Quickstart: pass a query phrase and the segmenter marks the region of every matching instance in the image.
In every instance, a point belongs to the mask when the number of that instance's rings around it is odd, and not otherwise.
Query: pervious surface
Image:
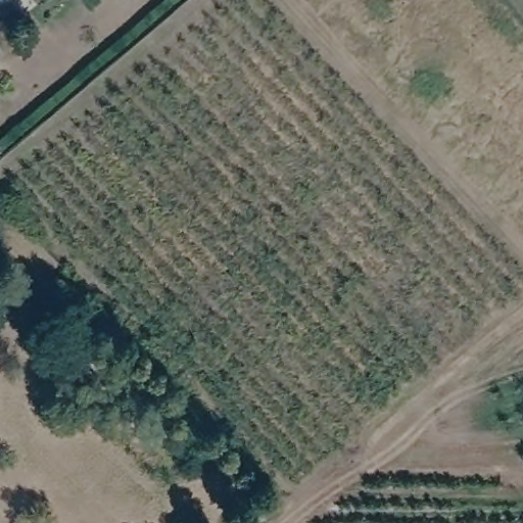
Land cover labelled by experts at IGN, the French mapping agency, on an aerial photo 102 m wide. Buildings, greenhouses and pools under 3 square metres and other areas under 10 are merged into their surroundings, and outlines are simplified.
[[[374,108],[374,112],[417,153],[421,149],[433,147],[435,137],[431,137],[431,131],[435,123],[431,123],[427,116],[411,118],[411,108],[398,110],[398,106],[392,100],[386,100],[386,92],[390,90],[390,86],[378,76],[376,65],[368,63],[364,57],[353,57],[358,47],[347,37],[347,31],[329,27],[321,14],[317,14],[319,8],[315,8],[306,0],[272,0],[294,25],[294,29],[311,41],[311,45],[321,53],[321,57],[341,74],[347,86],[360,92],[362,98]]]
[[[157,29],[153,29],[145,39],[141,39],[133,49],[129,49],[118,61],[114,61],[108,69],[94,78],[78,96],[74,96],[49,121],[45,121],[39,129],[25,137],[12,151],[0,145],[0,192],[10,192],[12,184],[16,182],[14,172],[20,168],[20,159],[33,157],[35,151],[43,151],[47,143],[51,143],[51,139],[59,133],[72,135],[86,151],[96,153],[94,145],[86,141],[84,131],[76,129],[72,123],[76,118],[84,121],[84,110],[92,110],[94,114],[102,112],[102,106],[98,106],[96,100],[102,98],[106,92],[106,80],[112,80],[116,86],[125,84],[127,72],[135,63],[143,63],[149,57],[149,53],[157,57],[163,51],[163,47],[168,47],[188,25],[198,25],[202,27],[202,31],[208,29],[208,22],[204,22],[202,18],[202,10],[210,8],[215,2],[221,0],[180,0],[182,6],[172,16],[168,16]]]
[[[51,288],[57,296],[80,292],[86,298],[88,294],[96,294],[98,290],[96,286],[90,286],[84,280],[80,280],[63,276],[55,268],[59,262],[57,253],[47,255],[45,247],[27,239],[10,223],[6,223],[0,229],[0,231],[2,241],[8,247],[8,253],[25,268],[25,274],[31,278],[31,282]]]
[[[427,374],[413,378],[409,382],[400,382],[396,392],[388,396],[386,407],[374,411],[372,417],[362,423],[360,435],[347,437],[347,441],[343,443],[347,447],[347,454],[331,454],[319,466],[315,466],[298,484],[290,482],[282,472],[278,472],[272,478],[276,486],[278,509],[264,513],[257,519],[257,523],[311,523],[313,517],[335,513],[339,507],[337,498],[341,496],[349,484],[362,478],[364,474],[380,472],[390,460],[409,449],[413,441],[417,441],[429,427],[445,419],[449,409],[466,400],[480,402],[484,390],[476,386],[476,380],[480,378],[480,370],[498,364],[503,355],[509,355],[511,351],[523,349],[523,292],[519,294],[519,298],[509,300],[503,308],[494,300],[486,300],[488,315],[484,315],[478,323],[474,339],[445,353],[439,364],[427,370]]]
[[[523,235],[517,231],[513,219],[503,221],[503,217],[490,219],[488,215],[482,215],[478,221],[480,225],[484,225],[488,233],[494,233],[498,241],[505,241],[507,249],[523,264]]]

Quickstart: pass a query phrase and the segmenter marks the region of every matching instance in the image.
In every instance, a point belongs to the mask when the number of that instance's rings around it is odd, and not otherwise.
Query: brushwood
[[[409,94],[423,96],[431,102],[451,96],[454,86],[449,78],[445,78],[439,72],[433,72],[431,67],[421,67],[415,69],[415,74],[411,76],[407,90]]]
[[[523,43],[523,0],[474,0],[474,4],[486,12],[490,29],[498,31],[509,45]]]
[[[153,29],[157,29],[168,16],[172,16],[182,6],[180,0],[163,0],[145,18],[141,18],[127,35],[123,35],[102,55],[88,63],[72,82],[67,82],[59,92],[55,92],[47,102],[43,102],[35,112],[31,112],[22,123],[12,127],[0,139],[0,145],[12,151],[25,137],[39,129],[45,121],[49,121],[74,96],[78,96],[94,78],[108,69],[114,61],[118,61],[129,49],[133,49],[141,39],[145,39]]]
[[[368,8],[372,20],[390,16],[392,0],[366,0],[364,6]]]

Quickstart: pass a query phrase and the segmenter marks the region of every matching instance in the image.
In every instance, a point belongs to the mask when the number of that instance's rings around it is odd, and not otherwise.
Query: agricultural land
[[[239,513],[245,513],[249,509],[239,501],[239,488],[231,488],[231,478],[223,474],[223,470],[212,460],[204,462],[202,480],[190,480],[180,476],[176,486],[168,488],[161,480],[153,480],[149,474],[145,474],[133,462],[131,456],[125,454],[121,445],[104,441],[102,435],[98,435],[92,429],[92,425],[86,425],[84,431],[78,431],[67,437],[53,435],[51,429],[45,427],[43,421],[37,417],[37,413],[53,405],[57,388],[53,380],[41,378],[35,372],[35,364],[29,358],[25,364],[25,380],[8,382],[4,372],[0,370],[0,441],[14,451],[14,466],[0,468],[0,523],[16,523],[20,515],[29,515],[37,503],[45,501],[49,503],[49,511],[57,523],[219,523],[221,519],[231,521]]]
[[[190,388],[208,411],[212,411],[215,396],[208,394],[206,386],[194,374],[186,372],[176,384],[184,384],[186,388]]]
[[[94,274],[94,270],[86,268],[82,259],[74,262],[76,276],[80,280],[84,280],[90,286],[96,286],[98,290],[110,296],[112,288],[100,276]]]

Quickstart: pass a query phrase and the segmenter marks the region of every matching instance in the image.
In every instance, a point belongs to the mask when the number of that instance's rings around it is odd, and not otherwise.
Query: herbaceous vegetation
[[[429,427],[417,441],[413,441],[409,449],[390,460],[380,472],[405,470],[411,474],[478,474],[484,478],[498,476],[498,486],[382,486],[362,484],[362,478],[349,484],[341,496],[358,496],[360,492],[366,492],[378,498],[392,494],[419,498],[423,494],[429,494],[439,498],[451,498],[451,507],[339,507],[335,513],[388,513],[407,517],[439,515],[445,517],[447,523],[456,523],[456,515],[462,515],[466,511],[505,513],[505,507],[492,507],[492,501],[498,498],[515,501],[511,513],[523,513],[523,349],[511,351],[509,355],[503,355],[498,364],[480,370],[480,378],[476,380],[476,386],[484,390],[480,402],[466,400],[449,409],[445,419]]]
[[[0,0],[0,139],[12,127],[22,123],[31,112],[35,112],[43,102],[47,102],[55,92],[59,92],[67,82],[72,82],[88,63],[102,55],[123,35],[127,35],[141,18],[145,18],[163,0]],[[29,27],[31,22],[39,31],[39,41],[31,57],[25,59],[14,55],[4,33],[16,31],[18,27]]]
[[[86,304],[86,298],[80,292],[57,296],[51,288],[31,282],[29,298],[25,298],[20,306],[12,306],[8,311],[8,325],[0,331],[0,339],[6,339],[8,351],[25,364],[29,358],[29,347],[25,341],[31,337],[33,329],[45,321],[59,319],[72,306]]]
[[[125,353],[133,343],[133,333],[121,325],[121,321],[114,315],[118,302],[114,298],[108,298],[104,300],[102,313],[90,321],[90,327],[94,333],[106,333],[112,339],[114,349]]]
[[[392,0],[390,16],[372,20],[368,8],[364,6],[366,0],[306,0],[315,8],[319,8],[317,14],[321,14],[329,27],[347,31],[347,37],[358,47],[353,57],[364,57],[368,63],[376,65],[378,76],[390,86],[390,90],[386,92],[386,100],[392,100],[398,106],[398,110],[411,108],[411,118],[427,116],[431,123],[435,123],[431,131],[431,137],[435,137],[433,147],[421,149],[417,153],[419,161],[423,161],[425,168],[435,178],[439,178],[441,184],[460,200],[460,204],[478,221],[482,215],[488,215],[490,219],[503,217],[503,221],[513,219],[517,231],[523,235],[523,43],[509,45],[498,31],[490,29],[486,12],[474,4],[474,0]],[[421,67],[431,67],[433,72],[439,72],[445,78],[449,78],[454,86],[451,96],[431,102],[423,96],[409,94],[407,90],[411,76],[415,74],[415,69]]]
[[[139,390],[137,382],[131,382],[131,400],[135,402],[137,411],[145,415],[149,407],[157,402],[157,396]]]

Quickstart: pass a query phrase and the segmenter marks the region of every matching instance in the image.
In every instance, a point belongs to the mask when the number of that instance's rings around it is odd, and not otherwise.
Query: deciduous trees
[[[49,503],[45,501],[37,503],[29,515],[20,515],[16,523],[57,523],[49,511]]]
[[[29,298],[31,282],[31,278],[25,274],[25,268],[8,253],[8,247],[2,241],[0,231],[0,331],[8,325],[8,311],[12,306],[20,306],[25,298]]]
[[[313,517],[311,523],[447,523],[445,517],[439,515],[407,517],[388,513],[335,513]]]
[[[478,474],[411,474],[405,470],[380,472],[364,474],[362,478],[362,484],[382,486],[498,486],[498,476],[484,478]]]
[[[0,468],[14,466],[14,451],[0,441]]]
[[[80,280],[76,276],[74,262],[82,259],[86,268],[94,270],[94,274],[100,276],[112,288],[110,296],[98,290],[96,294],[88,294],[86,298],[86,304],[72,306],[59,319],[45,321],[33,329],[31,337],[25,341],[29,347],[29,358],[35,364],[35,372],[41,378],[53,380],[57,388],[53,405],[37,413],[37,417],[43,421],[45,427],[51,429],[53,435],[67,437],[78,431],[84,431],[86,425],[92,425],[92,429],[98,435],[102,435],[104,441],[121,445],[125,454],[131,456],[133,462],[145,474],[149,474],[153,480],[161,480],[168,488],[176,486],[180,476],[190,480],[202,480],[204,462],[212,460],[223,470],[223,474],[231,478],[231,488],[239,488],[239,501],[249,509],[245,513],[239,513],[231,521],[221,519],[219,523],[257,523],[257,519],[264,513],[278,509],[276,486],[272,478],[278,472],[282,472],[290,482],[298,484],[315,466],[319,466],[331,454],[347,454],[347,447],[343,443],[347,441],[347,437],[360,435],[362,423],[372,417],[374,411],[386,407],[388,396],[396,392],[400,382],[409,382],[413,378],[427,374],[427,370],[439,364],[445,353],[474,339],[478,323],[484,315],[488,315],[486,300],[494,300],[503,308],[509,300],[519,298],[519,294],[523,292],[523,264],[507,249],[505,241],[498,241],[494,233],[488,233],[484,225],[480,225],[478,221],[460,204],[460,200],[441,184],[439,178],[435,178],[425,168],[423,161],[419,161],[417,153],[374,112],[374,108],[362,98],[360,92],[347,86],[341,74],[321,57],[321,53],[311,45],[311,41],[294,29],[294,25],[272,0],[221,0],[215,2],[210,8],[202,10],[202,18],[204,22],[208,22],[208,29],[202,31],[202,27],[198,25],[188,25],[168,47],[163,47],[163,51],[157,57],[149,53],[149,57],[143,63],[135,63],[127,72],[125,84],[116,86],[112,80],[106,80],[106,92],[102,98],[96,100],[98,106],[102,106],[102,112],[94,114],[92,110],[84,110],[84,121],[76,118],[72,123],[76,129],[84,131],[86,141],[94,145],[96,153],[86,151],[72,135],[59,133],[51,139],[51,143],[47,143],[43,151],[35,151],[33,157],[20,159],[20,168],[14,172],[16,182],[12,184],[10,192],[0,192],[0,229],[6,223],[10,223],[27,239],[45,247],[47,255],[57,253],[59,262],[55,268],[63,276]],[[118,302],[114,315],[121,321],[121,325],[133,333],[133,343],[125,353],[114,349],[112,339],[106,333],[94,333],[90,327],[90,321],[102,313],[104,300],[108,298],[114,298]],[[194,374],[206,386],[208,394],[215,396],[212,411],[208,411],[190,388],[186,388],[184,384],[176,384],[186,372]],[[131,400],[131,382],[137,382],[139,390],[157,396],[157,402],[149,407],[145,415],[137,411],[135,402]]]
[[[511,513],[515,501],[498,498],[492,501],[492,507],[505,507],[505,513],[466,511],[462,515],[456,515],[456,523],[523,523],[523,513]]]
[[[451,507],[451,498],[439,498],[429,494],[423,494],[419,498],[392,494],[378,498],[366,492],[360,492],[358,496],[341,496],[337,498],[339,507]]]
[[[25,364],[8,351],[6,339],[0,339],[0,370],[4,372],[8,382],[25,380]]]
[[[25,59],[31,57],[39,41],[39,31],[31,22],[29,27],[18,27],[16,31],[4,33],[14,55]]]

